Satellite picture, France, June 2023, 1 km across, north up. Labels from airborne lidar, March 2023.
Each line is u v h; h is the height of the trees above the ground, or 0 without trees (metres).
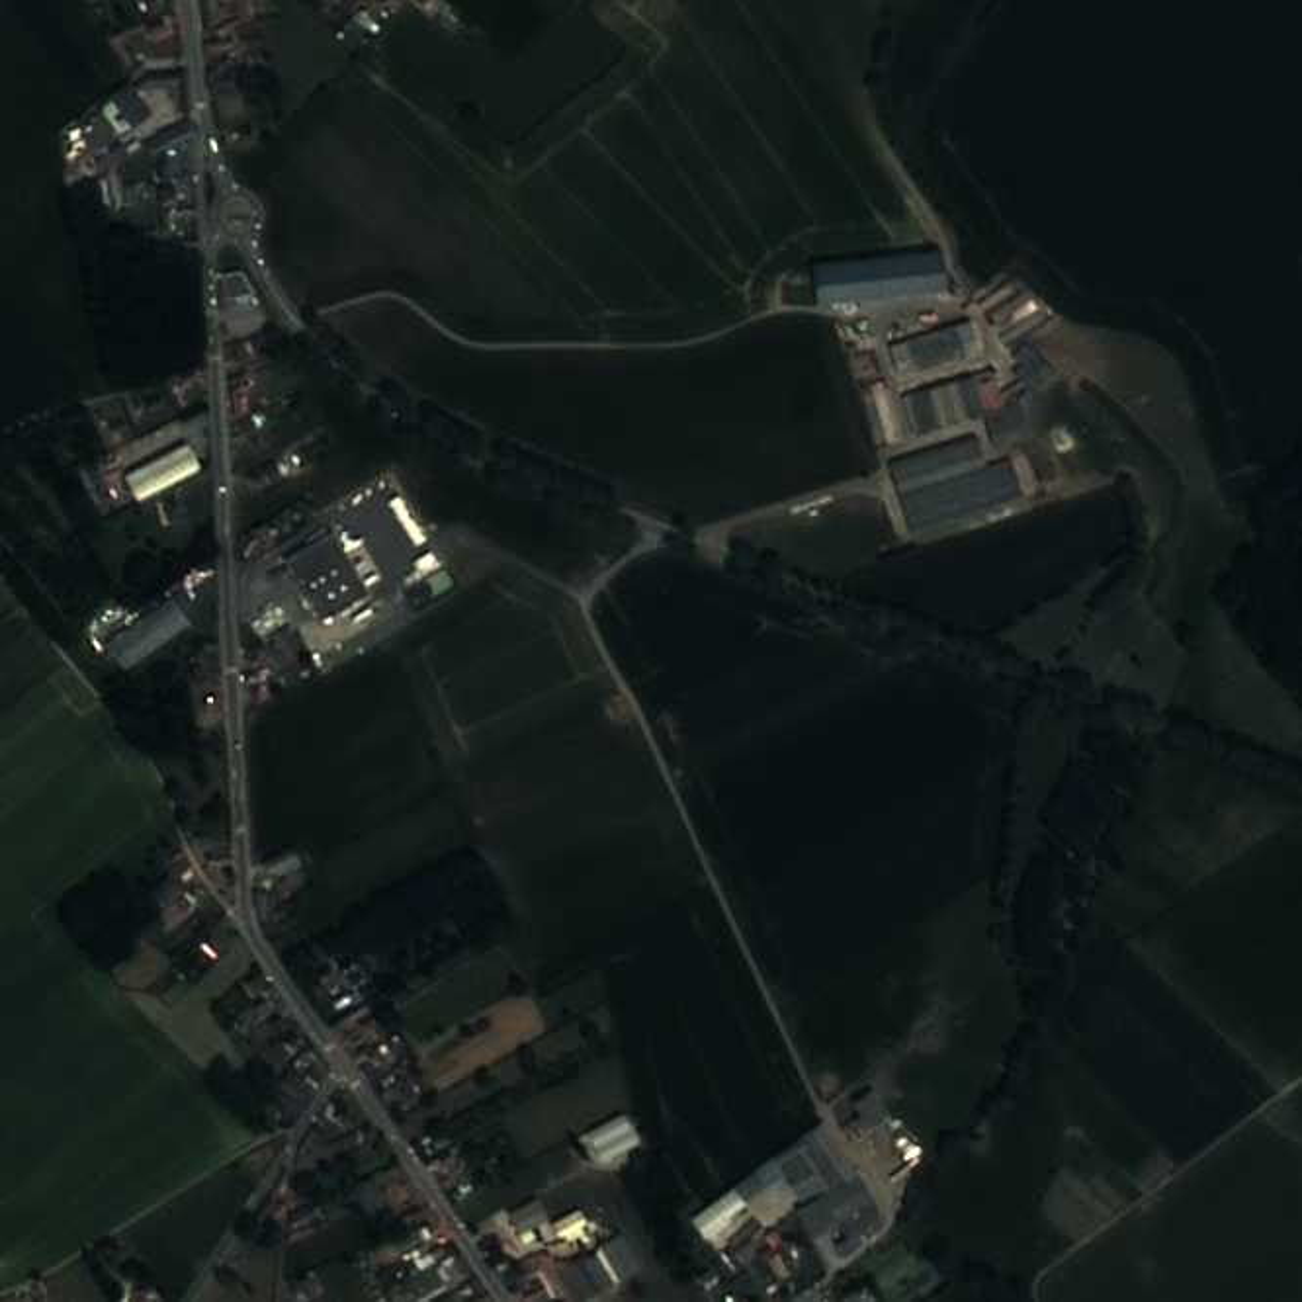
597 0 0
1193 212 0
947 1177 0
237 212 0
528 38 0
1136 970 0
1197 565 0
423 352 0
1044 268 0
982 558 0
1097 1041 0
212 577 0
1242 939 0
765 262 0
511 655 0
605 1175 0
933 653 16
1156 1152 0
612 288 0
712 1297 0
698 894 0
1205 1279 0
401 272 0
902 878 0
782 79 0
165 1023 0
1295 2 0
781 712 0
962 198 0
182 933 0
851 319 0
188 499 0
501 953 0
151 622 0
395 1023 14
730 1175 0
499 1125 0
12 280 0
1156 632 0
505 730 0
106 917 28
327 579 0
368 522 0
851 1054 0
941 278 0
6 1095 0
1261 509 28
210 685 0
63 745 0
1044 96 0
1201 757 22
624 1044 0
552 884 0
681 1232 8
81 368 0
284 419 0
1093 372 0
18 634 0
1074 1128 0
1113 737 34
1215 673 0
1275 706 0
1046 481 0
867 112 0
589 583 0
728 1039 0
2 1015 0
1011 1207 0
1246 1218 0
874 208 0
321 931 0
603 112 0
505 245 0
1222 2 0
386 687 0
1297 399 0
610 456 0
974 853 0
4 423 0
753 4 0
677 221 0
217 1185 0
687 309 0
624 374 0
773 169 0
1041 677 14
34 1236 0
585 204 0
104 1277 10
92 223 21
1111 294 0
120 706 29
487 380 0
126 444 0
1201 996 0
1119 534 0
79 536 9
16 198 0
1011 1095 14
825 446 0
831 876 0
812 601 17
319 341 16
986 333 0
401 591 0
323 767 0
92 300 11
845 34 0
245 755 0
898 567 0
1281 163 0
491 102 0
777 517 0
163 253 16
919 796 0
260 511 0
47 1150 0
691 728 0
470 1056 0
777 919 0
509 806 0
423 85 0
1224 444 0
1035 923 37
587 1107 0
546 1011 0
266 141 12
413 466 0
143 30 0
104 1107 0
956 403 0
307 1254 0
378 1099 0
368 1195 0
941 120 0
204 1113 0
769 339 0
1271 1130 0
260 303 0
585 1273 0
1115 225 0
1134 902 0
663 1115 0
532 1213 0
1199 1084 0
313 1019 0
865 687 0
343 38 0
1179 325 0
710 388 0
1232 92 0
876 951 0
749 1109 0
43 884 0
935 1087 0
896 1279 0
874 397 0
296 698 0
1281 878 0
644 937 0
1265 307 0
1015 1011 0
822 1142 0
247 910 0
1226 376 0
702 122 0
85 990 0
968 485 0
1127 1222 0
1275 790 23
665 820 0
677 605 0
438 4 0
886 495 0
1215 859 0
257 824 0
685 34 0
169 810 0
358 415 0
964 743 0
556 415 0
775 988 0
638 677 0
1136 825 0
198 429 0
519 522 0
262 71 13
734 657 0
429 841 0
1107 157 0
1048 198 0
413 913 21
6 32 0
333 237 0
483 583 0
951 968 0
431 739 0
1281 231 0
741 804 0
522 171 0
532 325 0
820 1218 0
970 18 0
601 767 0
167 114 0
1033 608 7
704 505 0
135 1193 0
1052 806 0
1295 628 27
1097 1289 0
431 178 0
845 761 0
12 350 0
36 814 0
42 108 0
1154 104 0
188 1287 0
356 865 0
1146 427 0
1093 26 0
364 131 0
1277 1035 0
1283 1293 0
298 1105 0
